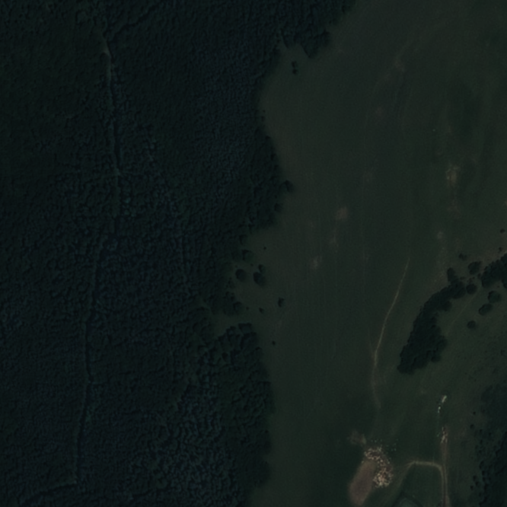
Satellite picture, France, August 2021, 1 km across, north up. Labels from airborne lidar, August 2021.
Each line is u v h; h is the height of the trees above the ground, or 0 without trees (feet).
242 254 43
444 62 0
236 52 43
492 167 0
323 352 0
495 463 19
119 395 60
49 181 79
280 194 51
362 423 0
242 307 56
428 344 56
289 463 0
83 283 79
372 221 0
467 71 0
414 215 0
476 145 0
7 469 74
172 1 69
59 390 79
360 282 0
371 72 0
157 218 76
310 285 0
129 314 84
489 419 0
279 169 57
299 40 35
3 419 68
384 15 0
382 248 0
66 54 63
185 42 55
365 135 0
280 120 0
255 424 35
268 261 0
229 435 73
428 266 0
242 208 50
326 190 0
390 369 0
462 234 0
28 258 93
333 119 0
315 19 53
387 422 0
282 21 39
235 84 62
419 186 0
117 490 61
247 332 47
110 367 81
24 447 79
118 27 70
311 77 0
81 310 84
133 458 66
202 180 58
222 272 67
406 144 0
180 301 58
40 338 82
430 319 46
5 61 28
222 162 77
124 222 76
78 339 63
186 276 51
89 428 74
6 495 64
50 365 75
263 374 51
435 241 0
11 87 53
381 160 0
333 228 0
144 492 62
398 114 0
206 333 72
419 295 0
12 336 78
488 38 0
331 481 0
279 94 0
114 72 26
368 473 0
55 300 80
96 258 74
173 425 54
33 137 81
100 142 72
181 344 59
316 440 0
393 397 0
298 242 0
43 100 75
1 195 82
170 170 71
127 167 78
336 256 0
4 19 67
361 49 0
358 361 0
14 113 74
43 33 40
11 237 84
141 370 72
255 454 55
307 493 0
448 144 0
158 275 81
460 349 0
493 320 0
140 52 71
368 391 0
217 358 75
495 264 24
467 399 0
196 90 54
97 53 60
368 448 0
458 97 0
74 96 76
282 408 0
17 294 97
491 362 0
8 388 90
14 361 79
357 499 0
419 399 0
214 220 70
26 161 59
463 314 0
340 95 0
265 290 0
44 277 77
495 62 0
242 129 71
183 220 66
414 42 0
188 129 58
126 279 76
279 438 0
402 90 0
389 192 0
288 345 0
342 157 0
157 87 79
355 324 0
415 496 0
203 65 58
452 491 0
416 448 0
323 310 0
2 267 80
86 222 90
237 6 54
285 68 0
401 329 0
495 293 57
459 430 0
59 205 74
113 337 82
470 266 24
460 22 0
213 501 85
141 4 65
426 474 0
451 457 0
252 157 52
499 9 0
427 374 0
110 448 69
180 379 69
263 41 42
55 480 68
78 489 55
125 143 79
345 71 0
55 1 61
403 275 0
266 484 43
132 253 81
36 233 111
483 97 0
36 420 79
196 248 45
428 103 0
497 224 0
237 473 65
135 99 67
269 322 0
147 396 63
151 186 73
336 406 0
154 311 71
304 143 0
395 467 0
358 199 0
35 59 52
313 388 0
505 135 0
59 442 78
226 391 68
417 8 0
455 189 0
